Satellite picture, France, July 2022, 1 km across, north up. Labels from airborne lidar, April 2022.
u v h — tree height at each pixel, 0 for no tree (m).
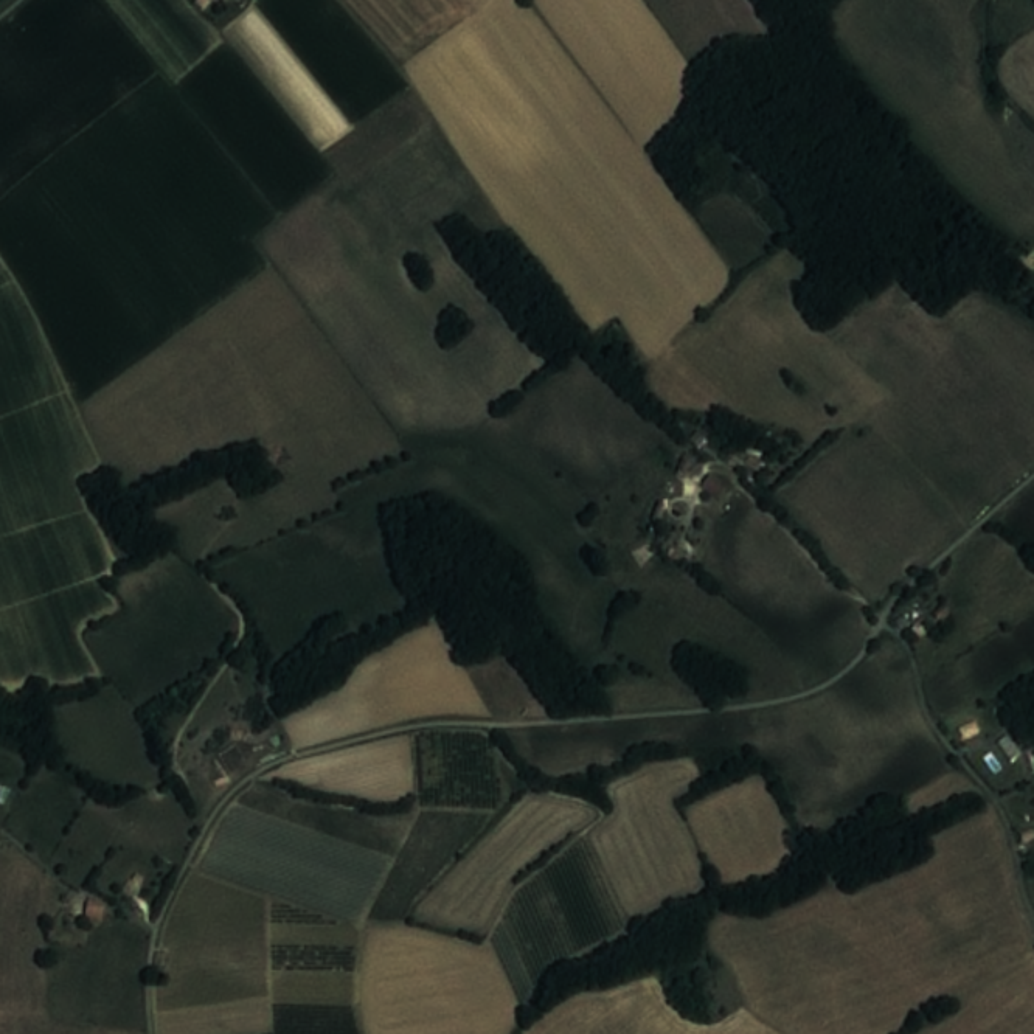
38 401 0
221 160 0
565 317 20
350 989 0
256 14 0
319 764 0
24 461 0
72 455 0
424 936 0
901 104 0
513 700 0
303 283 0
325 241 0
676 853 0
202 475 19
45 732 12
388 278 0
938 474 0
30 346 0
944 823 9
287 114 0
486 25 0
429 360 0
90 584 0
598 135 0
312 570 0
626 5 0
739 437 15
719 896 16
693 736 0
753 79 11
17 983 0
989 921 0
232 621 0
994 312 0
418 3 0
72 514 0
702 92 18
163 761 21
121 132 0
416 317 0
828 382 0
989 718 0
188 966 0
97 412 0
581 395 0
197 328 0
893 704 0
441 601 18
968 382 0
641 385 7
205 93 0
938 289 8
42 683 17
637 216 0
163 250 0
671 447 0
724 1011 6
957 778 0
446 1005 0
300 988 0
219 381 0
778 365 0
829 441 11
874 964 0
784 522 16
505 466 0
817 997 0
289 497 0
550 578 0
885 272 19
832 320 18
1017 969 0
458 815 0
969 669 0
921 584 9
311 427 0
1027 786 6
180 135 0
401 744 0
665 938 20
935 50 0
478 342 0
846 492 0
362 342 0
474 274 9
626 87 0
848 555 0
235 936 0
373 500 0
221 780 0
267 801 0
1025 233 0
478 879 0
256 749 0
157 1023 0
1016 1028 0
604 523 0
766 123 17
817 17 22
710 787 16
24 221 0
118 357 0
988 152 0
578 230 0
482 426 0
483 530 21
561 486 0
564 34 0
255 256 0
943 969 0
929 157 9
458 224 16
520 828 0
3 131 0
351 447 0
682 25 0
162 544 19
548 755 0
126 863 0
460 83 0
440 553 23
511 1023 0
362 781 0
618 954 21
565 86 0
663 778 0
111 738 0
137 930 0
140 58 0
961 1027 0
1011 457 0
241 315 0
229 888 0
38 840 0
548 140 0
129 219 0
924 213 20
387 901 0
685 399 0
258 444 9
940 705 0
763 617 0
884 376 0
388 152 0
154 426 0
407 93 0
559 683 15
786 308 0
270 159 0
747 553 0
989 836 0
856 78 10
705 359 0
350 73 0
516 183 0
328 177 0
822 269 17
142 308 0
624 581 0
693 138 18
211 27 0
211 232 0
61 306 0
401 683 0
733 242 0
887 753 0
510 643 20
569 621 0
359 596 0
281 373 0
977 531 0
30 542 0
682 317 0
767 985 0
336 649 16
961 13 0
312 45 0
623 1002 0
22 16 0
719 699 14
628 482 0
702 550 0
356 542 0
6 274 0
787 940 0
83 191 0
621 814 0
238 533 0
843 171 20
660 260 0
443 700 0
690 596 0
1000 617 0
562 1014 0
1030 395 0
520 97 0
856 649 0
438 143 0
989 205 0
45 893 0
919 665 0
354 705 0
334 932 0
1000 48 7
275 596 0
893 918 0
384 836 0
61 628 0
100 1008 0
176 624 0
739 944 0
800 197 18
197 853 0
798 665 0
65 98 0
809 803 0
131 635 0
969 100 0
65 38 0
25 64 0
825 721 0
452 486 0
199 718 0
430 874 0
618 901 0
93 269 0
